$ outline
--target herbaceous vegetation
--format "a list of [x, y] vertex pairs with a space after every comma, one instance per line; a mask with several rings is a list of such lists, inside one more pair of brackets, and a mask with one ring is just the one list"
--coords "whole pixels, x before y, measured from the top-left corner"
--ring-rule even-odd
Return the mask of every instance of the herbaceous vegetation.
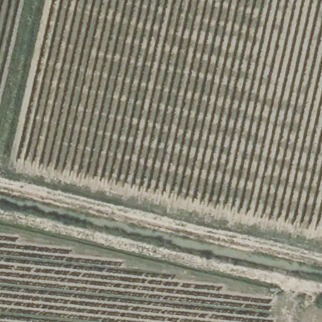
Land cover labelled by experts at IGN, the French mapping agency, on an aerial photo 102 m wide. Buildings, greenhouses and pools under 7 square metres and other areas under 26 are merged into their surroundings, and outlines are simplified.
[[0, 191], [0, 219], [96, 241], [108, 247], [171, 260], [195, 268], [219, 270], [238, 277], [278, 284], [283, 291], [292, 289], [298, 293], [298, 306], [293, 322], [322, 322], [322, 283], [268, 270], [221, 263], [219, 260], [175, 252], [142, 241], [99, 233], [91, 230], [92, 220], [102, 218], [88, 213], [88, 208], [80, 205], [77, 209], [64, 208], [35, 200], [33, 197]]

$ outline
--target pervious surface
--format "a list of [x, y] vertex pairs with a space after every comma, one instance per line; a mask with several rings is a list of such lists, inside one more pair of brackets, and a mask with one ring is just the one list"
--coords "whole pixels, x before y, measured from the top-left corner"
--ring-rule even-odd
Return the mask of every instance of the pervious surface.
[[88, 208], [128, 216], [131, 209], [118, 205], [0, 177], [0, 191], [33, 197], [35, 200], [64, 208], [77, 209], [80, 205]]

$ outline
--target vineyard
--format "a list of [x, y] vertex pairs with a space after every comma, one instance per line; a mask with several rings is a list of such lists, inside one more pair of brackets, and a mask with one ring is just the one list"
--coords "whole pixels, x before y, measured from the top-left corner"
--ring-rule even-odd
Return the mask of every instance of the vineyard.
[[171, 260], [108, 247], [96, 241], [0, 219], [0, 322], [293, 322], [298, 306], [298, 293], [292, 289], [283, 291], [278, 284], [238, 277], [219, 270], [195, 268]]
[[0, 107], [24, 0], [0, 0]]
[[45, 0], [10, 161], [20, 174], [43, 176], [45, 181], [88, 186], [92, 191], [104, 191], [108, 196], [119, 195], [123, 200], [118, 205], [131, 209], [128, 216], [88, 208], [88, 213], [102, 218], [92, 220], [91, 230], [99, 233], [142, 241], [175, 252], [219, 260], [221, 263], [268, 270], [322, 283], [322, 253], [309, 252], [292, 245], [260, 238], [263, 236], [263, 230], [277, 230], [322, 241], [322, 0]]

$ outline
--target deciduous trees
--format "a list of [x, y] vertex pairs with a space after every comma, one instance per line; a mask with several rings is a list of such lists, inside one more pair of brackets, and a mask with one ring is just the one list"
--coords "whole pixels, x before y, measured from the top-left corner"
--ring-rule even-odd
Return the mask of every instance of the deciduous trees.
[[322, 253], [322, 241], [277, 230], [263, 230], [263, 236], [260, 238], [292, 245], [309, 252]]
[[108, 196], [104, 191], [92, 191], [88, 186], [45, 181], [43, 176], [20, 174], [10, 161], [45, 0], [24, 0], [0, 107], [0, 177], [118, 205], [123, 200], [119, 195]]

